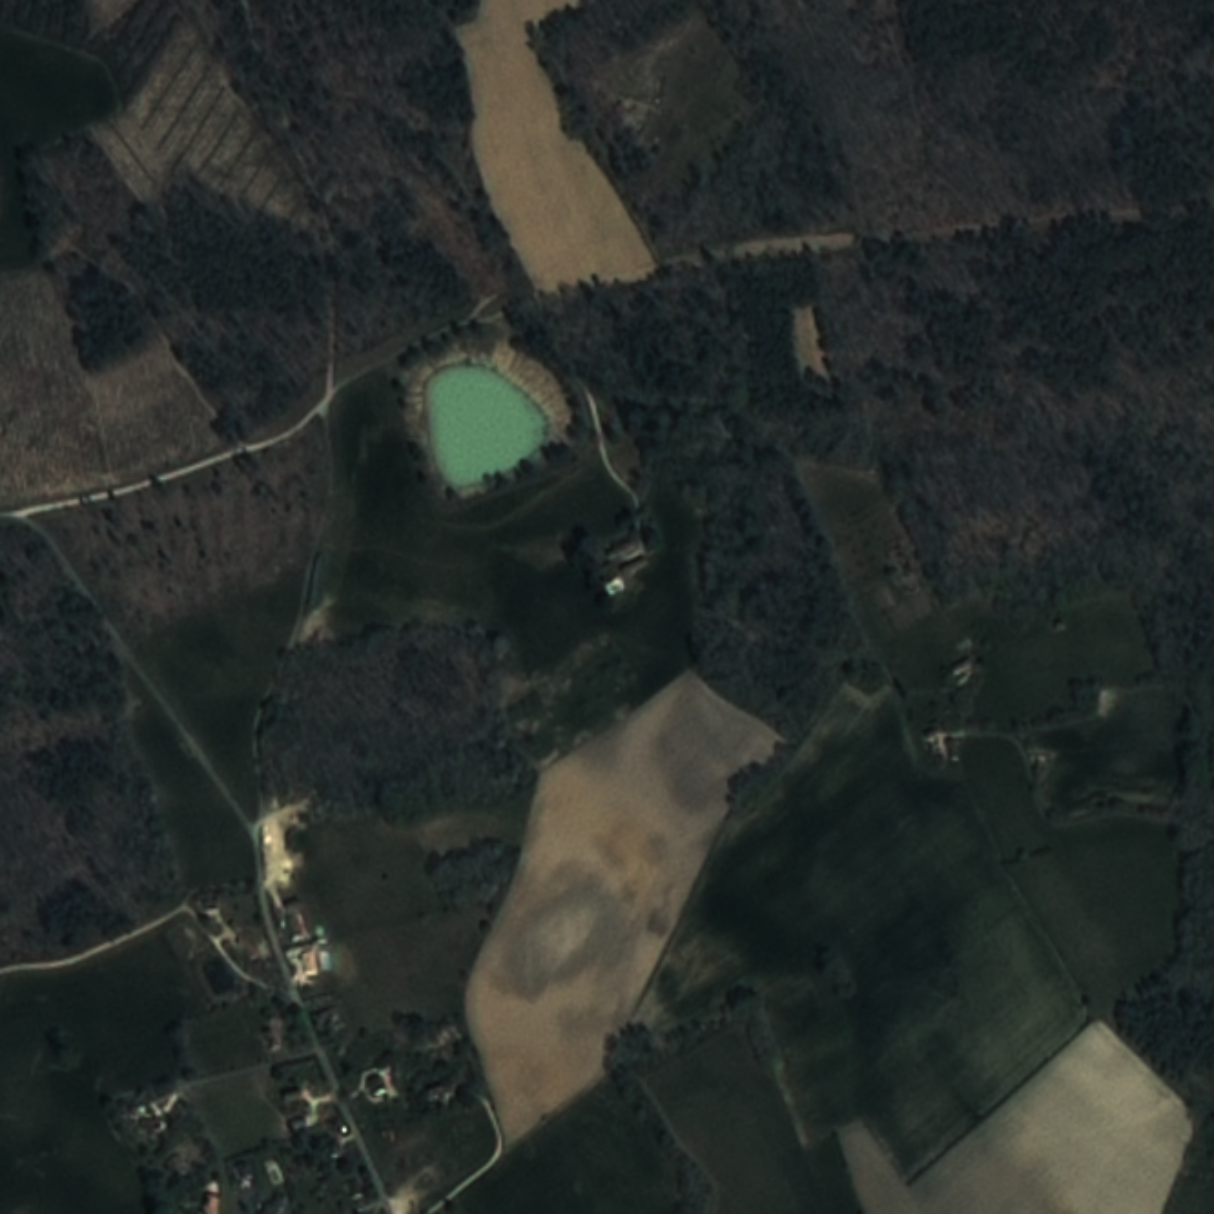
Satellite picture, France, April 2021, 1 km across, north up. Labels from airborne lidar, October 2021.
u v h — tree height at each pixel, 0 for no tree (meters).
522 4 0
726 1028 6
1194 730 18
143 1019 0
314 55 9
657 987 0
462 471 0
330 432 0
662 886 0
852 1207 0
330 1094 0
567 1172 0
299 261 16
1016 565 23
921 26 12
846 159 15
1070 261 24
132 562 13
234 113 0
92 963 0
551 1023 0
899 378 11
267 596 0
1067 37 5
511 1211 0
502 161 0
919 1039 0
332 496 0
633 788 0
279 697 10
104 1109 11
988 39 13
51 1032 0
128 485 0
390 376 0
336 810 16
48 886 13
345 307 15
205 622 0
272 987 14
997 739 0
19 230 0
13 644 15
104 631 13
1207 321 26
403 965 0
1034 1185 0
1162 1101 0
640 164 20
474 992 0
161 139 0
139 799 11
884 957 0
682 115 0
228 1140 0
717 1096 0
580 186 0
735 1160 0
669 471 13
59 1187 0
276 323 16
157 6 9
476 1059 9
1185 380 16
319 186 11
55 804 26
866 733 0
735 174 13
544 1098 0
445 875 20
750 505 19
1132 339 24
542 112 0
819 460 22
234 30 18
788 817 0
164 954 0
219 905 14
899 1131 0
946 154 10
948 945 0
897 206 9
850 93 15
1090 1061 0
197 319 15
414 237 13
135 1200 0
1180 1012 19
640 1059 12
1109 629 0
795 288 15
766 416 21
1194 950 17
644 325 15
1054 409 19
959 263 14
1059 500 22
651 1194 0
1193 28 8
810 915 0
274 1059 6
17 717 16
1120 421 17
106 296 20
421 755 21
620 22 14
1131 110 11
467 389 0
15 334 0
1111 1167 0
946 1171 0
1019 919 0
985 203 14
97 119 0
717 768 0
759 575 10
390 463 0
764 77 15
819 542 17
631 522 16
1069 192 13
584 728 0
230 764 0
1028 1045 0
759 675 23
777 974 0
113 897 15
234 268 22
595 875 0
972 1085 0
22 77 0
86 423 0
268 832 0
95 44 7
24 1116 0
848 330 16
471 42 0
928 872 0
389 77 17
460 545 0
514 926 0
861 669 8
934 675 0
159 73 0
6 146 0
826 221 13
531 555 0
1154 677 12
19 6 7
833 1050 0
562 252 0
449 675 16
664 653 0
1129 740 0
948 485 21
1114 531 14
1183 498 22
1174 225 24
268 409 19
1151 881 0
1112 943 0
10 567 12
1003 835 0
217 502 17
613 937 0
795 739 20
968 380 23
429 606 0
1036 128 15
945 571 20
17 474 0
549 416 0
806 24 15
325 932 0
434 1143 0
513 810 0
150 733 0
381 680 13
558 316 10
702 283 17
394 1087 6
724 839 0
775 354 19
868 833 0
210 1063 0
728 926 0
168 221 17
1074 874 0
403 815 26
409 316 12
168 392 0
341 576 0
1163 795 0
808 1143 0
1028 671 0
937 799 0
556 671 0
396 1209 0
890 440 9
